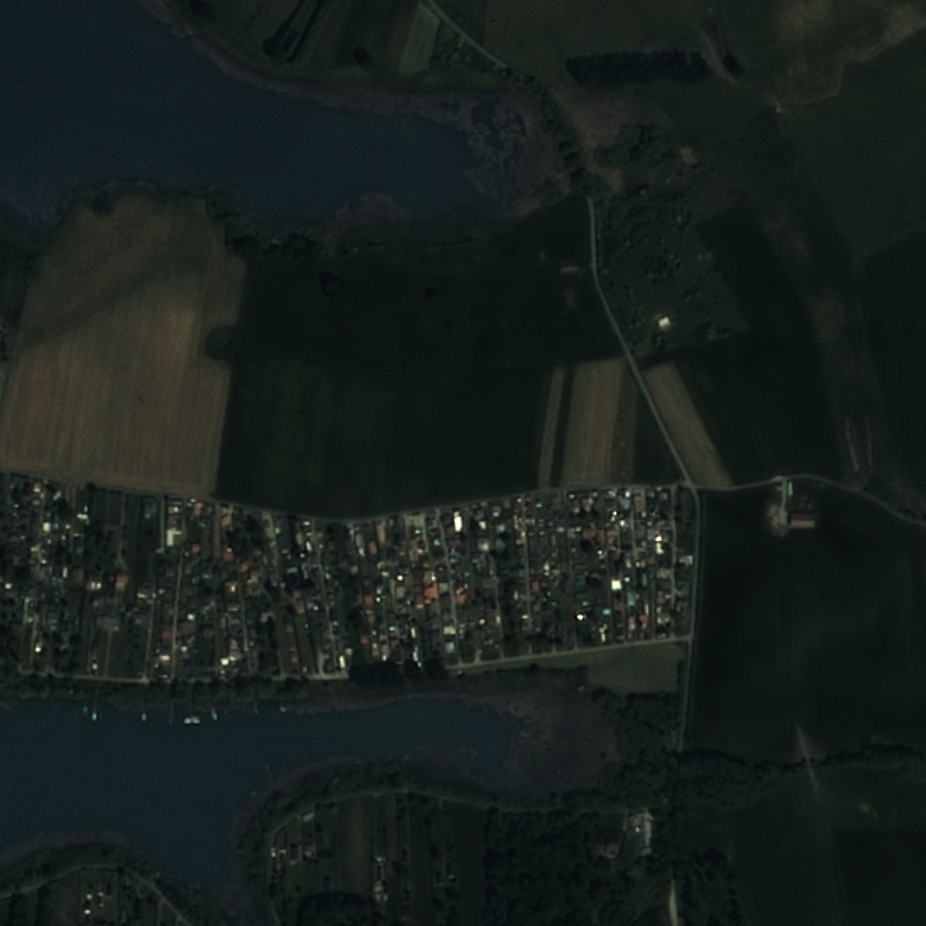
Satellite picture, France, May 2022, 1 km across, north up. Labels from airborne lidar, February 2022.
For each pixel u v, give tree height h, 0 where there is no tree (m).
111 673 0
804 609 0
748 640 0
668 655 0
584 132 0
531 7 0
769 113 0
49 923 12
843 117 0
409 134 0
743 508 0
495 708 0
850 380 0
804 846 0
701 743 0
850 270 0
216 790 0
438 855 19
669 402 0
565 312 0
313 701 0
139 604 0
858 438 0
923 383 0
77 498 0
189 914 14
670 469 0
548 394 0
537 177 0
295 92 0
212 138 0
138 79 0
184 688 14
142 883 0
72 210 0
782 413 0
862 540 0
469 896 0
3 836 0
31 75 0
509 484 0
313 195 0
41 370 0
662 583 0
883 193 0
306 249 20
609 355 0
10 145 0
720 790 25
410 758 0
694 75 30
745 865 0
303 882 0
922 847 0
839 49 0
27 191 0
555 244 0
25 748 0
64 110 0
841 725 0
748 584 0
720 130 0
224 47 0
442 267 0
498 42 0
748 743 0
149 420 0
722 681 0
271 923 7
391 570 0
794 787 0
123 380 0
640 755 7
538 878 24
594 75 30
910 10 0
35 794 0
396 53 0
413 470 0
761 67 0
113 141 0
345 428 0
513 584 11
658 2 0
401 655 0
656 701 16
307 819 0
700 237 0
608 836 0
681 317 0
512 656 0
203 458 0
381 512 0
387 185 0
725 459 0
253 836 6
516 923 23
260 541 14
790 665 0
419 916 0
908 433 0
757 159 0
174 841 0
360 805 0
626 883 20
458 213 0
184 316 0
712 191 0
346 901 18
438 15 0
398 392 0
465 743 0
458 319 0
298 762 0
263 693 16
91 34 0
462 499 0
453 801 0
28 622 0
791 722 0
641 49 0
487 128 0
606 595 0
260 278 0
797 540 0
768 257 0
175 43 0
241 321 0
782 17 0
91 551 10
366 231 0
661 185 0
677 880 7
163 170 0
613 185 0
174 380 0
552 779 0
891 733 0
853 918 0
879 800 0
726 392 0
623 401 0
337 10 0
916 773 20
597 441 0
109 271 0
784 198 0
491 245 0
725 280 0
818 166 0
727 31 0
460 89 0
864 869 0
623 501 0
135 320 0
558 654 0
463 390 0
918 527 0
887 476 0
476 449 0
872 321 0
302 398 0
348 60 0
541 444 0
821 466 0
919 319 0
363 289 0
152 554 0
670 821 15
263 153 0
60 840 0
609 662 0
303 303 0
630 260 0
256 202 0
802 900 0
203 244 0
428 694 0
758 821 0
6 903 0
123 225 0
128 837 0
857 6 0
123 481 0
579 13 0
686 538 0
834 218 0
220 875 0
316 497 0
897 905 0
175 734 0
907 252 0
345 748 0
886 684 0
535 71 0
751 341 0
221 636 0
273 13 0
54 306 0
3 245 0
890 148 0
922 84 0
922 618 0
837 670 0
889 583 0
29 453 0
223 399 0
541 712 0
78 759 0
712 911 0
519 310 0
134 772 0
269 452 0
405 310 0
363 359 0
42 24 0
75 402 0
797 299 0
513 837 18
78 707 0
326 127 0
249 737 0
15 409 0
